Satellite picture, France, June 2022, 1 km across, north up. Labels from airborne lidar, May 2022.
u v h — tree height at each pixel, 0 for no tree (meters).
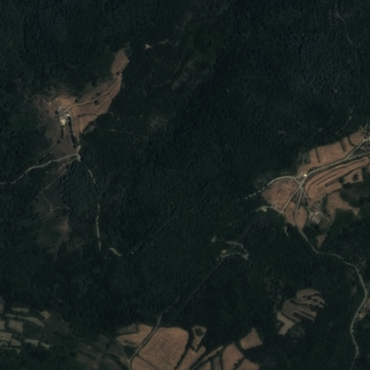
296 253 11
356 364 13
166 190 13
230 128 11
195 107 13
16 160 12
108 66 0
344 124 9
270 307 12
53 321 0
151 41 8
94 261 19
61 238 0
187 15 6
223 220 14
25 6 18
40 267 8
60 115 0
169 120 10
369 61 8
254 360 7
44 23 14
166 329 0
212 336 12
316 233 13
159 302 9
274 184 0
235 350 0
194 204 10
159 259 18
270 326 9
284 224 9
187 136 11
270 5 18
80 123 0
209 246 12
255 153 16
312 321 8
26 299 8
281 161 10
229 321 13
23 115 0
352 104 11
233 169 10
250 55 21
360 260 8
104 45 8
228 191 9
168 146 11
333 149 0
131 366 0
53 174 0
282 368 12
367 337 8
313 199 0
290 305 0
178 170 16
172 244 16
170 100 8
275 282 10
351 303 11
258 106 8
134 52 9
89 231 6
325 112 11
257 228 8
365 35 8
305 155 0
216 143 14
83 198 17
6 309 7
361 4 12
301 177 0
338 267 10
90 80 6
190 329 6
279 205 0
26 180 10
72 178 22
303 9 10
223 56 7
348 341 10
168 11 12
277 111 9
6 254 7
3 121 11
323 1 10
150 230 13
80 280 6
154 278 17
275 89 16
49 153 6
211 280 9
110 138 10
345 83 9
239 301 13
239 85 6
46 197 0
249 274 6
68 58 11
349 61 8
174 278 13
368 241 10
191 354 0
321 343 13
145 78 8
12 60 14
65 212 6
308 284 8
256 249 8
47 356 7
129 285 12
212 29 8
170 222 9
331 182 0
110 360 0
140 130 13
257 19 14
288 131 9
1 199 11
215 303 13
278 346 6
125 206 15
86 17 10
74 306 13
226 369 0
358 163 0
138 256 13
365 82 14
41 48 18
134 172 19
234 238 11
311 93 7
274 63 11
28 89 6
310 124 12
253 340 0
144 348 0
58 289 10
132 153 13
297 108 8
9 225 10
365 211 0
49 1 15
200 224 12
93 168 13
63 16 13
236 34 13
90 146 7
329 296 10
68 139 0
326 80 16
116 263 13
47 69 13
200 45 6
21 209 9
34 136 6
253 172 12
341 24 8
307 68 11
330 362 13
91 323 9
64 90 0
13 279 7
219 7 23
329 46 20
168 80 8
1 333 0
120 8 17
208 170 13
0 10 15
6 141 6
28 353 7
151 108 9
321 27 9
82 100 0
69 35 14
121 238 13
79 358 0
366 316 5
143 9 15
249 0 18
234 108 8
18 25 15
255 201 9
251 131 12
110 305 17
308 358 14
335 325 11
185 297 11
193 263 17
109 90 0
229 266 13
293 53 7
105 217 11
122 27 17
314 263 8
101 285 16
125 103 7
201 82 10
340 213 0
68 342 6
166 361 0
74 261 13
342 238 13
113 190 12
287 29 10
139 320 8
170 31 16
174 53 10
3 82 6
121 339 0
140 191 16
